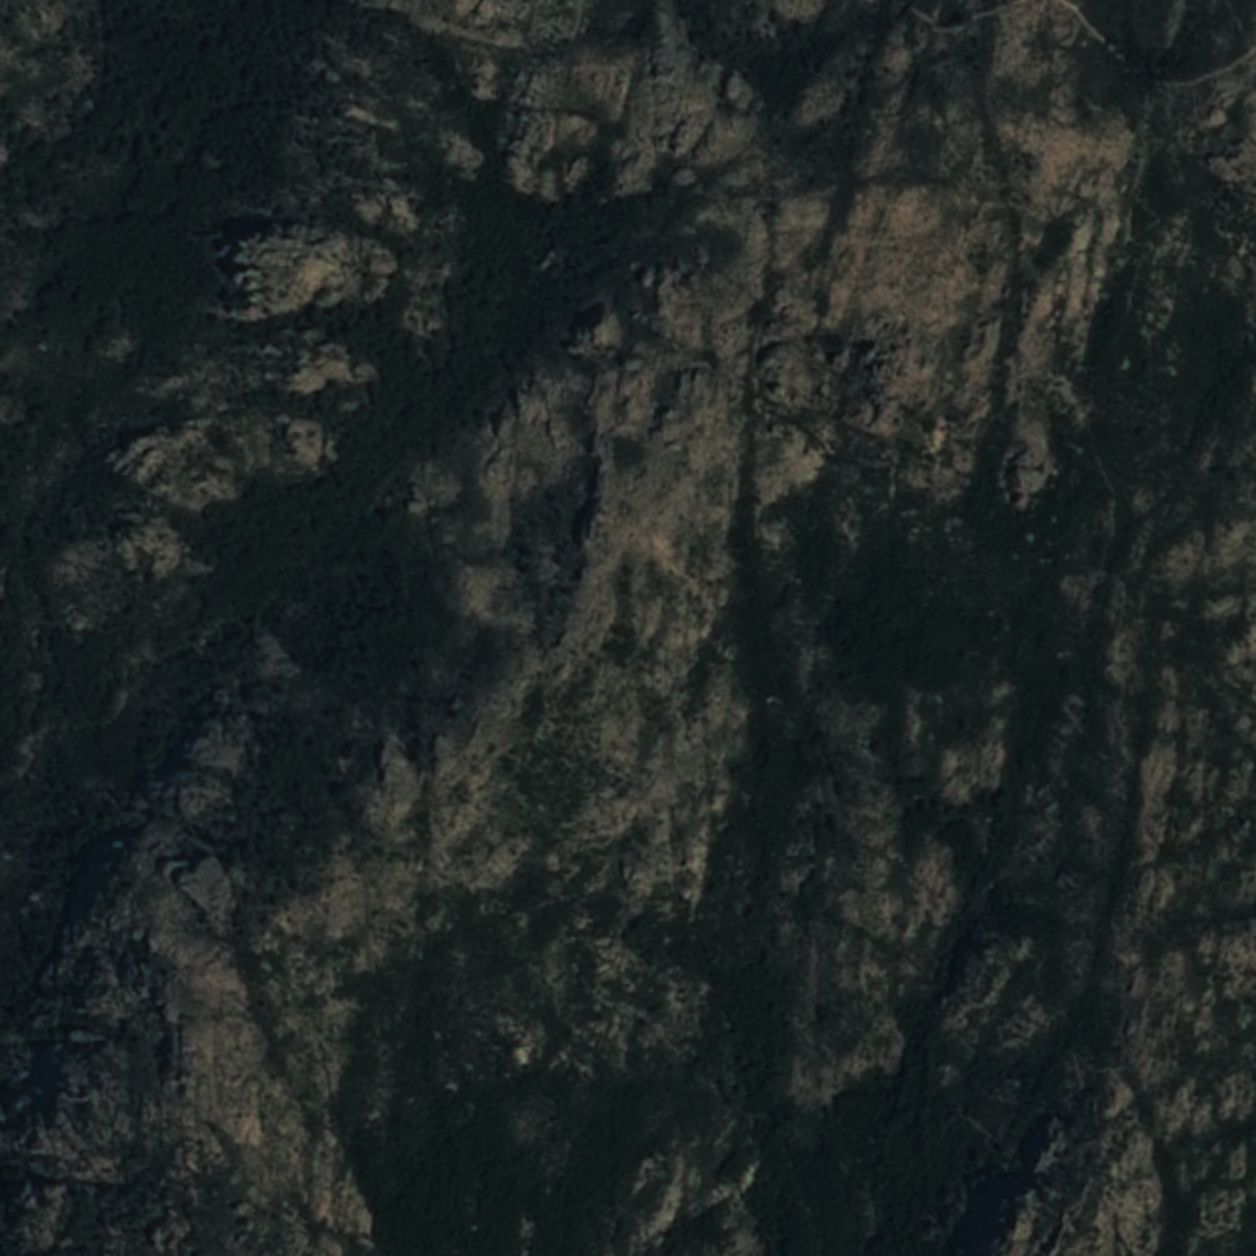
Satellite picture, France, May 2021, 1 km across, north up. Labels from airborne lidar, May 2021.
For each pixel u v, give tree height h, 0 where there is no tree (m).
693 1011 6
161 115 14
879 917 0
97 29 14
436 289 14
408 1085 7
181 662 16
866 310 0
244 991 0
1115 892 6
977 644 8
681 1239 11
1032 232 0
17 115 13
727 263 0
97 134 13
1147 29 0
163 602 10
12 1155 9
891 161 0
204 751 0
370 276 8
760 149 0
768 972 15
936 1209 7
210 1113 0
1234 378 11
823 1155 10
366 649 14
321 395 17
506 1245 10
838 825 11
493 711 0
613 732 0
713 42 18
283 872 9
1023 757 11
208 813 11
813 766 12
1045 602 7
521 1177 10
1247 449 0
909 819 11
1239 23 0
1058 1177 13
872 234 0
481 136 10
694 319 0
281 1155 0
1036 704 9
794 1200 8
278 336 17
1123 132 0
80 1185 20
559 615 10
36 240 19
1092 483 8
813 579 8
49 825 10
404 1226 14
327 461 16
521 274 7
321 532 20
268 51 12
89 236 19
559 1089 8
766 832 10
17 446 17
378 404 17
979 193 0
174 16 12
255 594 17
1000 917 9
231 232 6
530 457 0
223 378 0
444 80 9
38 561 16
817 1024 9
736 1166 12
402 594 14
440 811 0
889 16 6
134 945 8
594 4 0
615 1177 9
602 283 12
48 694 16
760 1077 12
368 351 19
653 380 0
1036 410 0
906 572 9
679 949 9
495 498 0
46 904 17
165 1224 16
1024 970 9
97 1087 7
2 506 19
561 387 0
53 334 11
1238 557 0
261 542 15
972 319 0
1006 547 7
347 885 0
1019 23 0
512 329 8
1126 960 0
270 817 12
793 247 0
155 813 12
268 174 16
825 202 0
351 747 10
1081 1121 14
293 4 16
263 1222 0
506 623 0
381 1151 7
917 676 10
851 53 0
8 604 21
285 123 15
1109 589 6
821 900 20
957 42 0
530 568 14
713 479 0
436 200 11
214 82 16
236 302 18
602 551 0
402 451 17
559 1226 9
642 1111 9
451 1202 10
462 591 0
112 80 14
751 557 10
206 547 14
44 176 17
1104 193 0
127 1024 14
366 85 9
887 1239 15
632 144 0
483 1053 8
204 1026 0
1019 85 0
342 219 14
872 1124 10
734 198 0
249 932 11
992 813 8
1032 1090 7
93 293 15
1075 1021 7
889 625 10
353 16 12
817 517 7
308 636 8
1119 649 0
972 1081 9
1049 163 0
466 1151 12
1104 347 8
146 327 12
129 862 12
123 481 9
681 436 0
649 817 0
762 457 0
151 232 16
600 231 13
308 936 0
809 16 0
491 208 9
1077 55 0
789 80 8
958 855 9
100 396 6
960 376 0
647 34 14
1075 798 6
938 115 0
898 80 0
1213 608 0
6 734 19
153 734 20
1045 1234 9
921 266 0
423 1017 9
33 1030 12
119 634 11
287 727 16
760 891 10
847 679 17
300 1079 0
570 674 0
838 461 5
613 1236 6
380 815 0
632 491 0
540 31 0
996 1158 6
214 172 19
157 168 15
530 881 7
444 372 15
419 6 0
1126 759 0
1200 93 0
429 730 11
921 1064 9
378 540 12
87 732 8
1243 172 13
